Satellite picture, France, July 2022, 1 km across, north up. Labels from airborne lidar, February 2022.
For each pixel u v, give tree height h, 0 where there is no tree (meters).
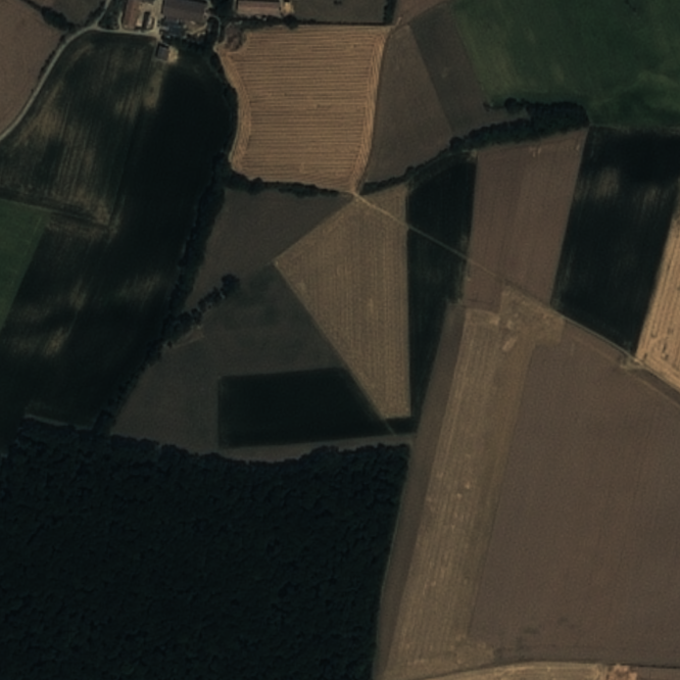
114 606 27
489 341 0
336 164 0
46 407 0
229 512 25
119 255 0
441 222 0
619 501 0
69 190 0
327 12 0
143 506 22
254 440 0
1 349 0
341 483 23
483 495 0
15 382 0
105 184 0
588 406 0
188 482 22
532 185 0
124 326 0
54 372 0
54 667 25
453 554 0
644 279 0
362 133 0
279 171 0
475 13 0
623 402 0
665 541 0
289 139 0
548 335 0
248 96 0
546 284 0
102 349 0
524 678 0
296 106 0
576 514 0
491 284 0
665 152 0
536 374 0
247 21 9
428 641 0
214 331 0
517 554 0
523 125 17
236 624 26
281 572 24
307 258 0
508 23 0
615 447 0
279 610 25
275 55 0
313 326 0
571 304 0
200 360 0
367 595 22
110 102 0
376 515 23
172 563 26
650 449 0
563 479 0
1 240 0
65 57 0
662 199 0
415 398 0
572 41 0
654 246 0
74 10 0
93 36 0
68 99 0
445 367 0
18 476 26
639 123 0
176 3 0
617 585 0
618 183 0
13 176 0
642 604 0
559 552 0
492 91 0
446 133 0
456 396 0
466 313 0
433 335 0
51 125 0
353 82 0
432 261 0
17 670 8
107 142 0
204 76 0
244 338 0
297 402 0
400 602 0
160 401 0
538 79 0
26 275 0
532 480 0
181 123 0
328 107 0
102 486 28
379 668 0
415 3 0
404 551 0
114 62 0
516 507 0
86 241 0
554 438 0
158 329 0
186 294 19
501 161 0
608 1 0
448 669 0
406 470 12
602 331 0
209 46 15
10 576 32
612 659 0
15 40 0
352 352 0
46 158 0
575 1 0
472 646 0
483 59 0
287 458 0
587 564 0
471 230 0
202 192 0
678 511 0
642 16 0
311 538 24
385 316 0
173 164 0
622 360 0
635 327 0
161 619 29
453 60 0
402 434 0
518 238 0
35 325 0
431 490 0
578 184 0
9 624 26
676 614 0
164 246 0
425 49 0
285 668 28
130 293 0
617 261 0
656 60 0
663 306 0
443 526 0
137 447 23
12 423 0
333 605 26
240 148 0
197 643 23
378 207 0
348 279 0
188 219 0
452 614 0
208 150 0
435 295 0
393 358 0
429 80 0
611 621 0
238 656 29
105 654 25
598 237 0
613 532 0
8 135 0
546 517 0
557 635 0
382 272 0
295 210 0
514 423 0
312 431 0
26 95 0
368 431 0
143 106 0
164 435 0
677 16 0
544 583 0
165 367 0
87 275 0
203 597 24
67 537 26
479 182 0
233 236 0
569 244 0
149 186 0
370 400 0
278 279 0
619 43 0
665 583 0
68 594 26
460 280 0
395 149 0
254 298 0
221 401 0
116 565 22
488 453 0
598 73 0
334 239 0
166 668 26
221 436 0
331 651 22
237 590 25
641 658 0
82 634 26
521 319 0
